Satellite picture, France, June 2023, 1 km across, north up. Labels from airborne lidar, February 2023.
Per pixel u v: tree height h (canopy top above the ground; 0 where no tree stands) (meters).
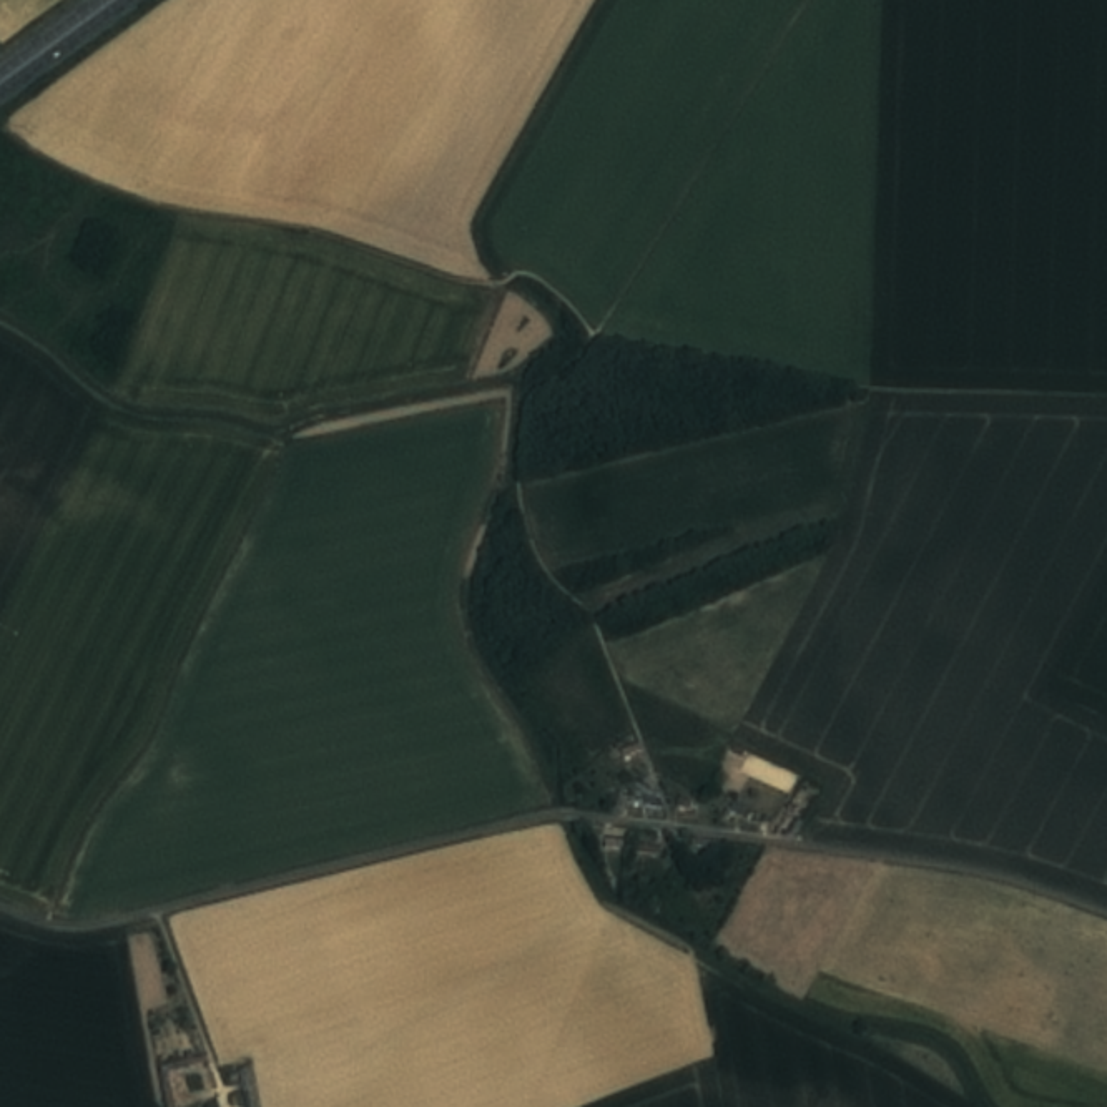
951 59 0
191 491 0
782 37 0
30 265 0
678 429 19
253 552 0
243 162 0
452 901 0
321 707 0
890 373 0
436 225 0
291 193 0
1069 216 0
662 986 0
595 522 0
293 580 0
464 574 0
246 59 0
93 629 0
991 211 0
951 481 0
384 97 0
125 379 0
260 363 0
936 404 0
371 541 0
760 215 0
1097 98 0
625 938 0
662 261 0
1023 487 0
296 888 0
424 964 0
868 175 0
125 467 0
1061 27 0
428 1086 0
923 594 0
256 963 0
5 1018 0
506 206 0
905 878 0
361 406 0
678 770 0
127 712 0
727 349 0
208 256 0
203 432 0
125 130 0
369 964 0
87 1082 0
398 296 0
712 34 0
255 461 0
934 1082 0
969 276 0
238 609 0
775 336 0
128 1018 0
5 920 0
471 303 0
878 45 0
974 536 0
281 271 0
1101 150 0
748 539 0
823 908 0
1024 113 0
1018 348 0
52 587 0
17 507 0
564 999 0
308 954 0
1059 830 0
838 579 0
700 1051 0
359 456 0
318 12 0
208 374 0
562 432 18
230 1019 0
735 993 0
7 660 0
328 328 0
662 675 0
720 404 20
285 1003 0
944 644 0
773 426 14
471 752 0
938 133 0
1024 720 0
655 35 0
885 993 0
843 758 0
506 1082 0
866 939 0
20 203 0
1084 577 0
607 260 0
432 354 0
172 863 0
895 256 0
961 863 0
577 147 0
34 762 0
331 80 0
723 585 18
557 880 0
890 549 0
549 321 0
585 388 19
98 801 0
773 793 0
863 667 0
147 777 0
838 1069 0
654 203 0
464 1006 0
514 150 0
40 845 0
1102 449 0
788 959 0
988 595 0
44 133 0
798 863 0
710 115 0
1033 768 0
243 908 0
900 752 0
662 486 0
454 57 0
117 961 0
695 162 0
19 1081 0
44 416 0
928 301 0
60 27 0
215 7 0
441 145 0
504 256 0
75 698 0
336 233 0
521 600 17
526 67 0
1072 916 0
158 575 0
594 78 0
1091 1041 0
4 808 0
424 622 0
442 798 0
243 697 0
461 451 0
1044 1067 0
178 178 0
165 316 0
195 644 0
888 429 0
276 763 0
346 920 0
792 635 0
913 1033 0
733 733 0
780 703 0
